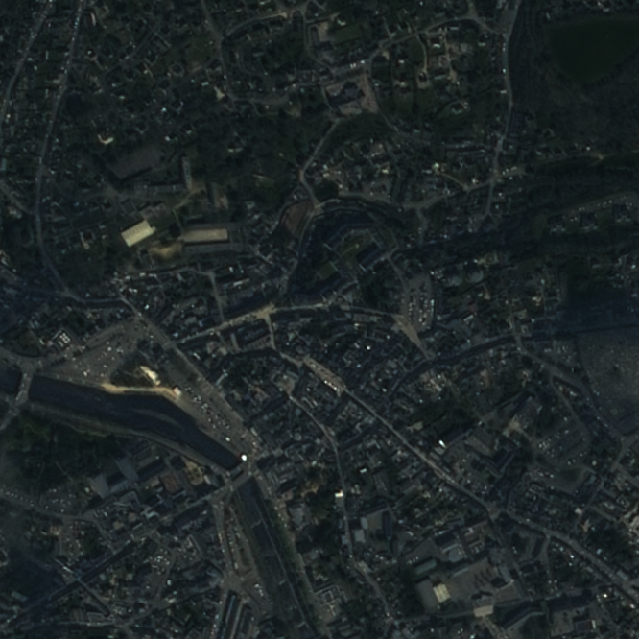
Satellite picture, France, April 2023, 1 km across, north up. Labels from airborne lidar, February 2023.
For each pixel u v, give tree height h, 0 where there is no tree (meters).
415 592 8
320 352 0
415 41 0
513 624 0
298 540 11
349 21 0
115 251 7
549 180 18
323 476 6
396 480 0
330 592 0
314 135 15
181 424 0
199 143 14
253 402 0
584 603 0
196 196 0
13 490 0
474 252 11
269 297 19
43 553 13
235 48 9
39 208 0
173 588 0
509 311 0
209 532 0
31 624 0
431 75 7
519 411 0
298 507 0
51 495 0
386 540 12
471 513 7
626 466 0
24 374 0
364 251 0
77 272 0
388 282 13
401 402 0
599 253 10
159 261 14
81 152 16
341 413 0
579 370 8
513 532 0
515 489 0
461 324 0
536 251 22
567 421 0
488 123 6
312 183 15
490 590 0
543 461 13
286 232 17
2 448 19
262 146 29
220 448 0
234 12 0
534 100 16
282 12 0
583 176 21
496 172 0
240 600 0
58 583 0
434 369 0
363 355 0
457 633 0
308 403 0
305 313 0
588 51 0
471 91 11
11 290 0
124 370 15
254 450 0
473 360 7
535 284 0
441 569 16
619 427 0
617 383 0
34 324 0
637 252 11
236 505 15
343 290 0
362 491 0
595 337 0
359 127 15
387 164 0
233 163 15
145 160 0
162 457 0
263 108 12
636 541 0
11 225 18
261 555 9
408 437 0
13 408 0
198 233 0
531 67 14
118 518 0
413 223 16
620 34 0
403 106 0
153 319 0
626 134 26
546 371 0
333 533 6
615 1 0
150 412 0
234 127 19
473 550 0
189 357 0
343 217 8
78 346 0
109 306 0
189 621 6
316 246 14
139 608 0
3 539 0
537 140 9
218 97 12
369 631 10
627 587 0
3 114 0
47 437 0
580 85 0
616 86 19
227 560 0
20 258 17
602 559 0
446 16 11
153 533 0
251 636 0
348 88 0
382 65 0
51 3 0
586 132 11
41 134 9
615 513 0
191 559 0
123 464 0
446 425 0
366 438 0
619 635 0
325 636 0
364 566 0
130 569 11
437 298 0
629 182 21
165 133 8
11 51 14
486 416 0
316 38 0
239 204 14
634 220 0
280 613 23
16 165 8
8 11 17
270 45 7
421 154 5
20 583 14
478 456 0
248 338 0
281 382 0
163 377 17
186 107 10
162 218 0
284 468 0
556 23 12
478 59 6
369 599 5
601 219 0
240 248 0
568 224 0
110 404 0
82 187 0
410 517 15
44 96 0
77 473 25
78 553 0
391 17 0
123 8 12
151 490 0
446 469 0
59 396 0
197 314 0
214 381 0
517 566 0
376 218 16
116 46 14
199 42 0
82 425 15
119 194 0
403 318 0
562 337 9
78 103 18
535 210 17
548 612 0
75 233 8
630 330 0
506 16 0
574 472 0
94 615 0
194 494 0
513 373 7
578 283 9
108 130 0
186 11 15
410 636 0
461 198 11
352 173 0
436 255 22
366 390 0
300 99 7
